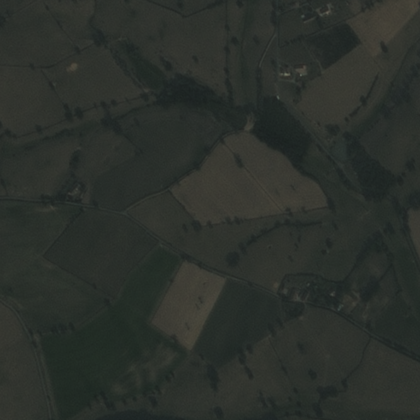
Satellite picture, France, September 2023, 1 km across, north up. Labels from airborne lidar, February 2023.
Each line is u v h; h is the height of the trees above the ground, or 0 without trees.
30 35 0
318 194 0
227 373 0
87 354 0
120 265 0
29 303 0
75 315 0
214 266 0
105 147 0
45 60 0
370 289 16
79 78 0
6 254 0
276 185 0
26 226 0
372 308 0
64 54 0
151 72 0
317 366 0
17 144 0
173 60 0
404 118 0
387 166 0
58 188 0
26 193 0
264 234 13
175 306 0
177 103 9
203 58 0
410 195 0
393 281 0
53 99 0
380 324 0
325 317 0
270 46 0
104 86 0
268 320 0
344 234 0
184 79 13
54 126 0
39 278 0
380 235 16
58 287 0
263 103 10
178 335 0
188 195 0
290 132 13
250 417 0
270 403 19
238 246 0
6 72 0
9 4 0
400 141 0
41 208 0
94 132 0
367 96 6
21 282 0
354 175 0
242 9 0
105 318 0
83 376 0
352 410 0
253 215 0
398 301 0
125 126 0
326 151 0
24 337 0
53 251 0
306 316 0
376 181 11
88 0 0
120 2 0
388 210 0
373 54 0
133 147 0
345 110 0
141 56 0
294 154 14
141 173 0
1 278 0
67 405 0
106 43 6
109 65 0
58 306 0
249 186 0
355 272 0
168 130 0
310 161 0
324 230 0
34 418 0
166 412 0
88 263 0
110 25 0
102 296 0
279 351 0
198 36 0
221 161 0
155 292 0
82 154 0
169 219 0
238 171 0
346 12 0
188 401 0
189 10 0
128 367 0
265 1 0
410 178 0
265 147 0
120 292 0
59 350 0
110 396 0
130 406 0
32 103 0
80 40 0
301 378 0
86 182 0
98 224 0
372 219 0
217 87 0
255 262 0
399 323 0
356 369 0
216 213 0
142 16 0
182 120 0
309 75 0
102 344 0
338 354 0
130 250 0
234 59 0
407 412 0
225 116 0
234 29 0
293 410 0
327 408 0
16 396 0
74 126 0
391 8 0
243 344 0
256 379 0
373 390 0
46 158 0
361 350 0
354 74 0
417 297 0
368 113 0
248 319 0
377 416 0
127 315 0
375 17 0
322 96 0
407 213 17
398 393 0
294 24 0
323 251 8
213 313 0
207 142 0
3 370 0
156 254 0
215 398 0
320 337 0
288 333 0
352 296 0
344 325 0
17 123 0
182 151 0
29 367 0
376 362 0
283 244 0
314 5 0
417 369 0
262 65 0
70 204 0
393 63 0
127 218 0
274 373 0
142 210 0
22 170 0
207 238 0
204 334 0
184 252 0
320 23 11
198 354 0
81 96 0
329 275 0
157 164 0
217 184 0
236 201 0
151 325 0
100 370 0
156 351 0
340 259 0
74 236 0
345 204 0
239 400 0
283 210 0
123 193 0
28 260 0
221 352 0
